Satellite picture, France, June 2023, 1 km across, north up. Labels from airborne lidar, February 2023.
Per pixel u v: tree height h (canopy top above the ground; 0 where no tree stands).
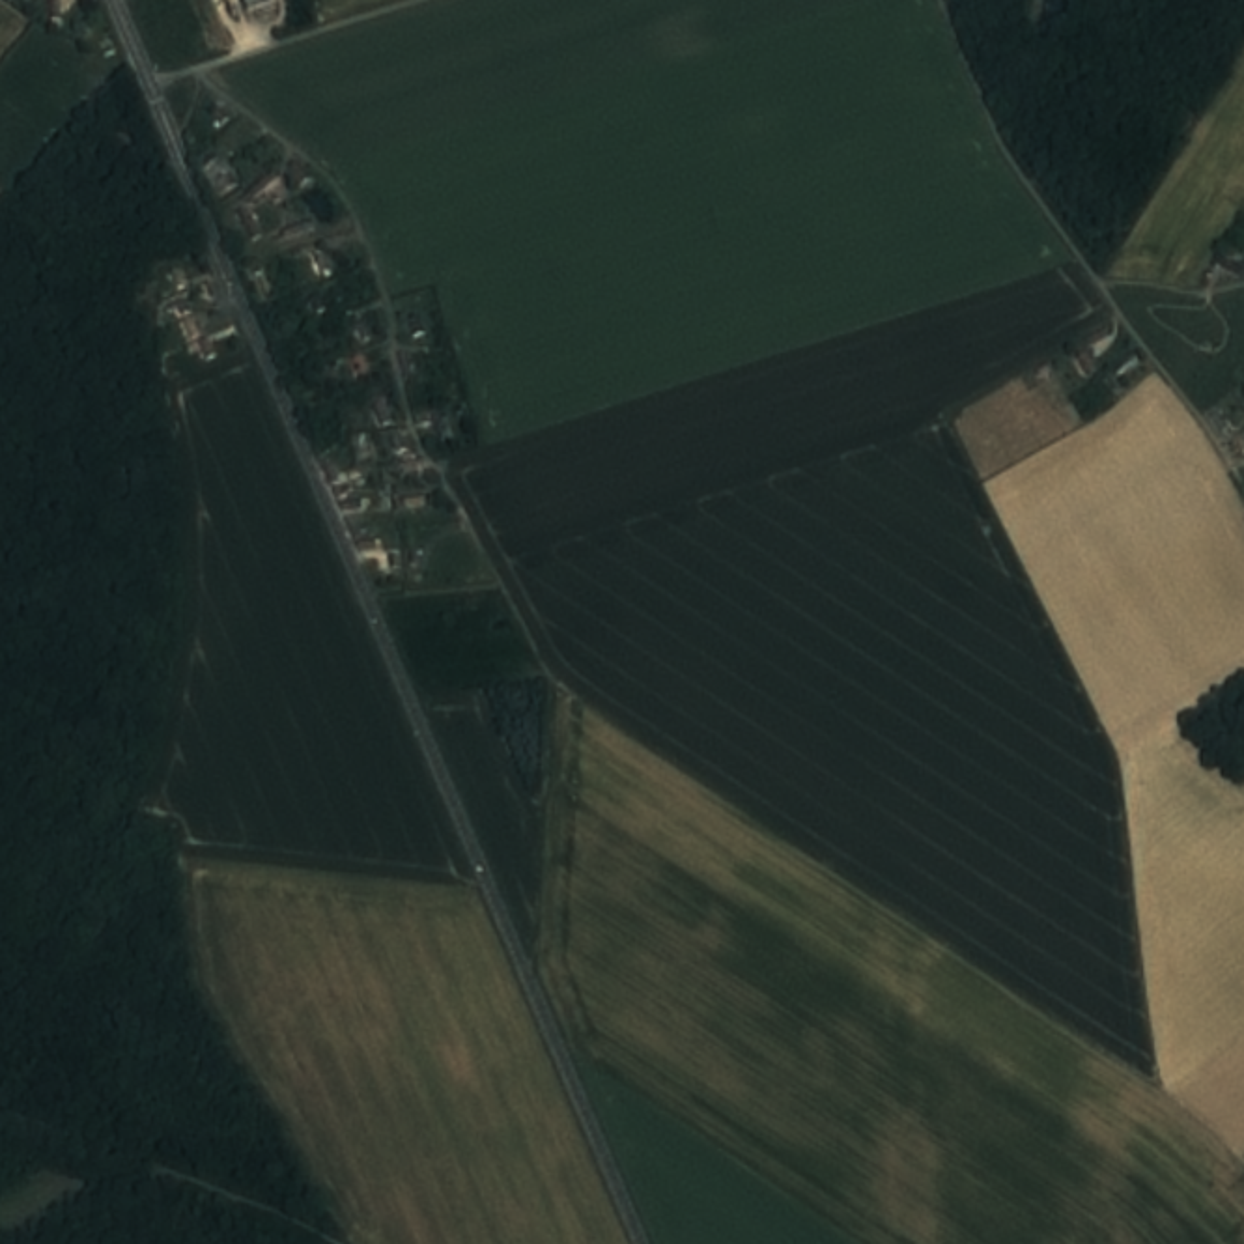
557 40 0
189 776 0
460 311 0
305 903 0
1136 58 20
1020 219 0
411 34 0
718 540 0
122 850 15
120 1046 22
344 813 0
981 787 0
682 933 0
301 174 0
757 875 0
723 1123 0
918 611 0
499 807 0
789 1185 0
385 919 0
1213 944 0
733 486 0
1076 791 0
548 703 9
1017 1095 0
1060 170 19
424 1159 0
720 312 0
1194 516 0
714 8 0
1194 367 0
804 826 0
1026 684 0
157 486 20
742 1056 0
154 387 21
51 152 15
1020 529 0
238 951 0
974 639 0
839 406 0
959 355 0
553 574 0
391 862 0
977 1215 0
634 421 0
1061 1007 0
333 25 0
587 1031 0
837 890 0
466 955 0
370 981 0
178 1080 23
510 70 0
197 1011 20
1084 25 17
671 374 0
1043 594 0
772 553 0
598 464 0
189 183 0
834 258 0
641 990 0
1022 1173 0
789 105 0
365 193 0
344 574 0
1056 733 0
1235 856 0
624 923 0
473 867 0
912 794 0
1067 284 0
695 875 0
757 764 0
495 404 0
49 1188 0
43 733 26
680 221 0
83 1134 18
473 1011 0
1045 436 0
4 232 20
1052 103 12
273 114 0
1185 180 0
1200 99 17
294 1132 0
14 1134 25
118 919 22
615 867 0
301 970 0
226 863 0
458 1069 0
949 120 0
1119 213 18
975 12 19
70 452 25
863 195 0
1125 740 0
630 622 0
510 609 0
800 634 0
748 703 0
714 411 0
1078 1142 0
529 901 0
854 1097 0
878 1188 0
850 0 0
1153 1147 0
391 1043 0
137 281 17
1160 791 0
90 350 23
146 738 13
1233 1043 0
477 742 0
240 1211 7
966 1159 0
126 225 23
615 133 0
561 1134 0
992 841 0
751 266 0
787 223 0
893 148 0
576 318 0
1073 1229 0
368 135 0
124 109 18
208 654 0
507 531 0
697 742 0
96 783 15
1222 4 24
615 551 0
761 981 0
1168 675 0
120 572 26
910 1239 0
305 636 0
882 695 0
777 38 0
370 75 0
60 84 0
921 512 0
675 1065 0
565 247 0
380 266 0
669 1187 0
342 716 0
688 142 0
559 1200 0
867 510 0
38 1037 24
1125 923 0
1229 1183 0
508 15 0
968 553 0
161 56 0
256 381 0
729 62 0
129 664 25
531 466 0
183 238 17
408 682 0
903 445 0
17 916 15
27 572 26
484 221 0
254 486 0
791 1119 0
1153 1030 0
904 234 0
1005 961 0
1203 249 0
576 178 0
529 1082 0
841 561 0
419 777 0
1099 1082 0
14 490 22
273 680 0
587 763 0
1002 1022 0
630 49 0
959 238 0
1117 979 0
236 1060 14
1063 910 0
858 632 0
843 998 0
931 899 0
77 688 29
